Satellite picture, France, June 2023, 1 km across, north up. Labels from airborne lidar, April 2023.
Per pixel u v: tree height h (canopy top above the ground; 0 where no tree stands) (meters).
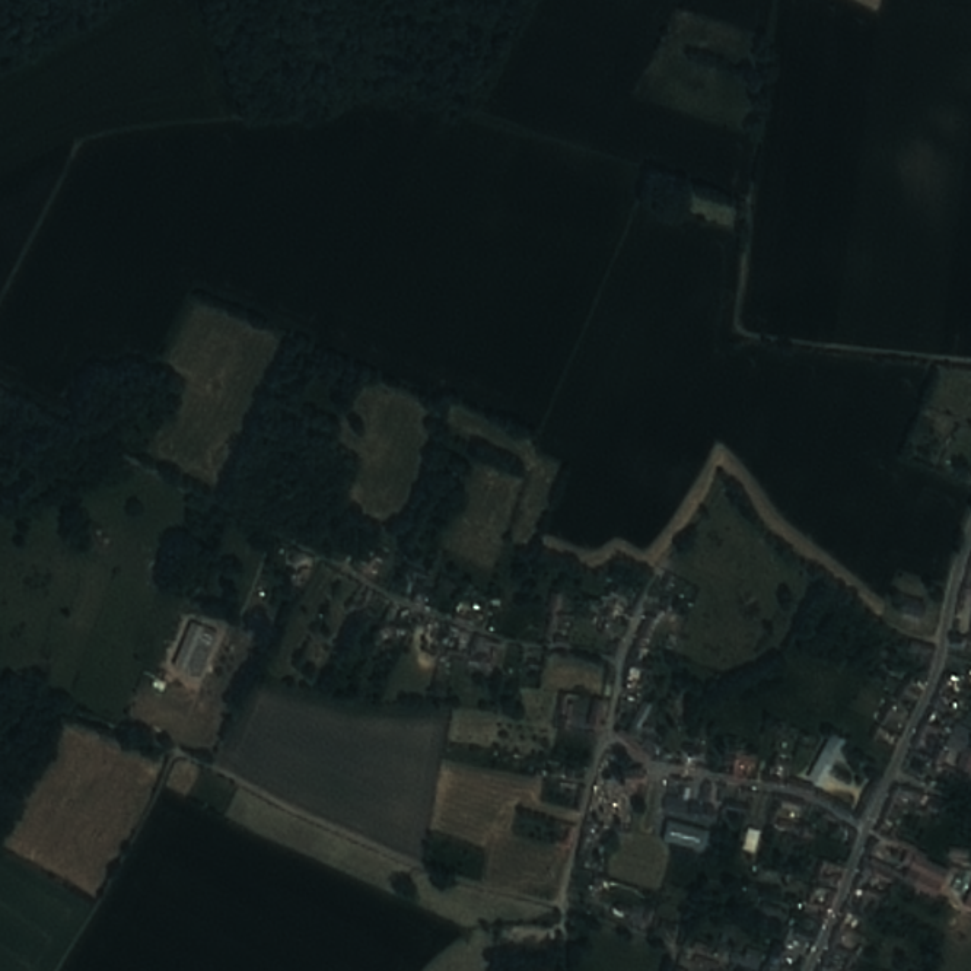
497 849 0
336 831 0
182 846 0
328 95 23
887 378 0
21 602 0
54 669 0
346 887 0
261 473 25
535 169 0
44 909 0
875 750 0
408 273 0
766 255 0
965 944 0
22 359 0
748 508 16
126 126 0
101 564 0
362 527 23
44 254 0
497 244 0
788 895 7
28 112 0
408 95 19
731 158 0
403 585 11
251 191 0
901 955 19
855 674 0
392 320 0
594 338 0
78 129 0
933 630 0
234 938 0
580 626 0
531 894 0
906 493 0
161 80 0
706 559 0
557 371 0
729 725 0
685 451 0
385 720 0
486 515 0
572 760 7
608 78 0
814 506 0
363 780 0
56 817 0
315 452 26
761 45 17
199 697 0
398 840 0
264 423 28
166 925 0
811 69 0
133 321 0
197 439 0
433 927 0
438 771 0
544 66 0
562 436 0
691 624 0
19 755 26
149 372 24
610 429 0
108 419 28
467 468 12
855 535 0
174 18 0
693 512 0
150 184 0
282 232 0
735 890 13
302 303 0
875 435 0
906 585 0
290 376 14
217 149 0
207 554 16
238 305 7
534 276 0
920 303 0
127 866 0
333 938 0
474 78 20
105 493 0
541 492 0
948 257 0
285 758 0
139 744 16
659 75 0
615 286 0
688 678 18
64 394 0
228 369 0
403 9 10
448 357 0
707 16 0
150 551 0
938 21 0
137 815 0
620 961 0
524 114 0
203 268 0
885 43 0
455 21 30
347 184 0
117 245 0
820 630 20
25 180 0
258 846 0
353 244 0
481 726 0
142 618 0
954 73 0
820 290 0
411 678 0
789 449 0
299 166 0
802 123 0
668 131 0
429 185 0
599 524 0
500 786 0
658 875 0
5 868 0
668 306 0
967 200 0
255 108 17
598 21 0
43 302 0
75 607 0
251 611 0
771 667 16
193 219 0
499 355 0
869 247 0
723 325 0
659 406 0
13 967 0
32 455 26
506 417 16
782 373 0
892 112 0
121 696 0
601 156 0
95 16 16
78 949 0
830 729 13
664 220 0
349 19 25
